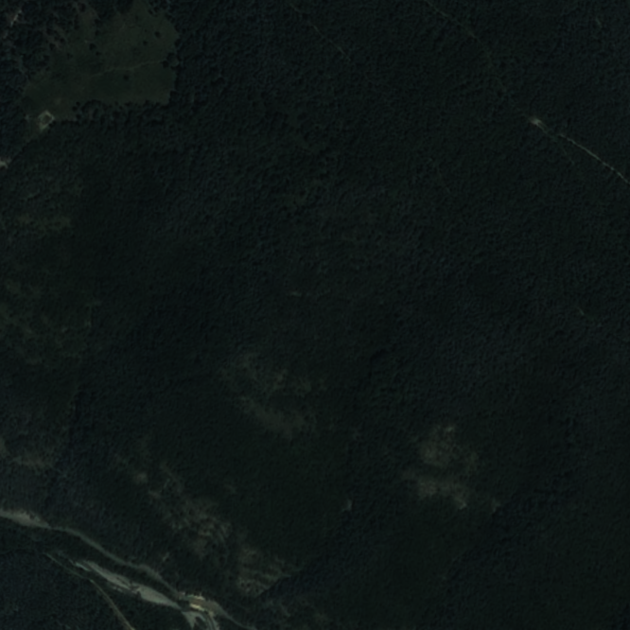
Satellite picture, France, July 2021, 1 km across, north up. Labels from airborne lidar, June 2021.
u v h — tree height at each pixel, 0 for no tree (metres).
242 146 16
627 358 13
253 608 7
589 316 13
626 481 18
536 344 15
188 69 17
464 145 19
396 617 11
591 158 15
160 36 11
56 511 11
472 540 22
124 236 12
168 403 13
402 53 18
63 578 18
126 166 17
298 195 15
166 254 10
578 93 18
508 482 11
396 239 15
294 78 7
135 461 10
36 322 10
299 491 12
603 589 16
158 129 17
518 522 16
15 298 7
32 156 9
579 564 12
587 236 23
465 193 19
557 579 15
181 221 14
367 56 19
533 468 25
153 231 15
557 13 16
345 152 7
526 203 23
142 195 17
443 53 18
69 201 11
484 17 17
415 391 20
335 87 10
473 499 6
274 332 9
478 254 16
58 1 16
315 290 11
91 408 20
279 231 17
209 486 11
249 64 19
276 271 17
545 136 15
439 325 23
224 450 10
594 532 15
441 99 20
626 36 15
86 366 20
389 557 9
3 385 13
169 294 23
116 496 13
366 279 12
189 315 18
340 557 10
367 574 7
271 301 18
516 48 14
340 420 11
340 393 12
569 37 19
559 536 12
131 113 13
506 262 18
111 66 0
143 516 13
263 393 8
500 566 17
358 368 14
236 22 17
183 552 11
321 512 10
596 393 13
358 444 6
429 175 17
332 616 8
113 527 10
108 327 16
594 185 14
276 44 13
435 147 20
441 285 17
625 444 13
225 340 20
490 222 19
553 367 19
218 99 15
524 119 15
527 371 20
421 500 7
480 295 18
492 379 15
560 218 22
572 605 15
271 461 14
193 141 8
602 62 18
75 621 15
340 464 14
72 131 7
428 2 8
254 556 7
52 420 7
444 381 17
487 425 14
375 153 13
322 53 14
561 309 12
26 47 14
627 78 13
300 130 10
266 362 8
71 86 0
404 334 17
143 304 19
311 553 10
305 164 13
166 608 7
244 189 13
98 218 9
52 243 10
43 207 11
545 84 20
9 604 8
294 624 9
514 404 11
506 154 15
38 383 12
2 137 18
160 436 11
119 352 17
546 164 17
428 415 16
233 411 12
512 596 12
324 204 15
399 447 11
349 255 15
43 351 9
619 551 9
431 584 12
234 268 17
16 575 16
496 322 17
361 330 20
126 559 10
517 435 13
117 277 14
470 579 13
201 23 12
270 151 13
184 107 21
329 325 10
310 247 15
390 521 13
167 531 11
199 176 16
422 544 14
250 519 11
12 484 10
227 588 7
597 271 15
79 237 14
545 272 14
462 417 9
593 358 15
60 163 10
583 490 13
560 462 16
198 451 10
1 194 11
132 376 16
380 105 15
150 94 0
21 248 13
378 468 11
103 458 11
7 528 10
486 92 18
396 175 15
